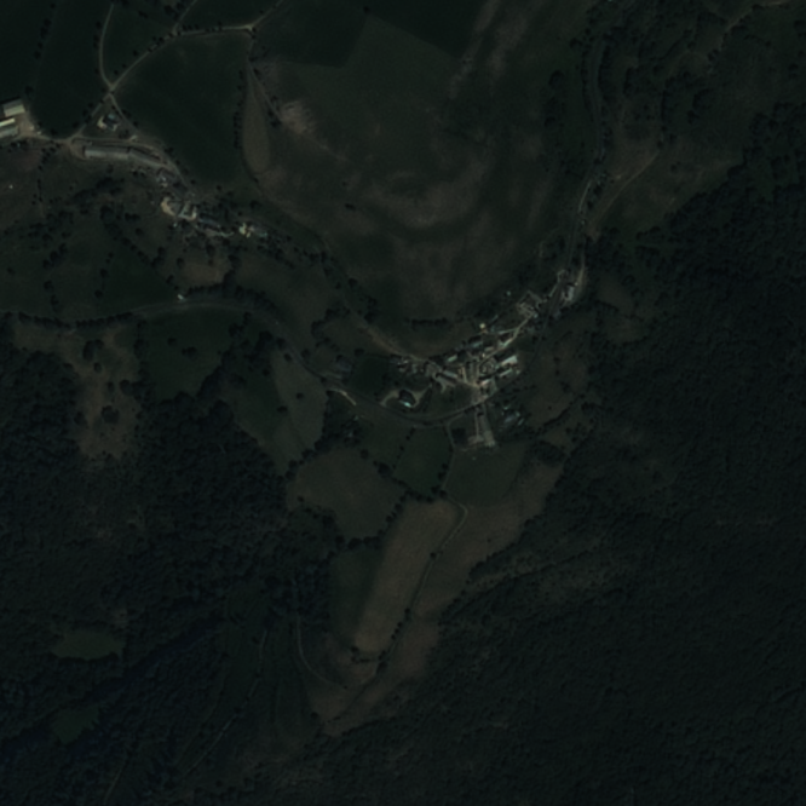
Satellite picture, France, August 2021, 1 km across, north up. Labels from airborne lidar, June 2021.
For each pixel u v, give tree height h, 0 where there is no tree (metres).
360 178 0
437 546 0
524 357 0
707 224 13
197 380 0
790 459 17
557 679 21
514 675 16
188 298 8
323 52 0
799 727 22
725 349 23
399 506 7
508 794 21
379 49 0
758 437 18
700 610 18
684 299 12
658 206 0
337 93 0
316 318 0
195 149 0
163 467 22
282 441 0
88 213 8
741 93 0
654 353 8
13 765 22
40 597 16
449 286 0
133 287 0
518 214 0
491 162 0
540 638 18
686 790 25
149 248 0
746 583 22
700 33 5
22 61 0
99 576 12
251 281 0
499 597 7
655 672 21
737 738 25
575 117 0
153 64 0
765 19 0
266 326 0
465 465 0
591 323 0
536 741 19
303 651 0
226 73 0
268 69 0
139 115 0
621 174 0
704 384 24
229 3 0
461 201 0
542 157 0
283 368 0
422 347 0
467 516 0
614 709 22
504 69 0
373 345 0
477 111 0
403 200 0
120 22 0
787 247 16
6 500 14
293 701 0
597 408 12
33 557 14
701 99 15
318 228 0
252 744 0
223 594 20
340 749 10
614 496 9
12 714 26
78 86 0
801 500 19
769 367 29
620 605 17
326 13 0
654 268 15
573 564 7
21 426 20
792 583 21
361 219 0
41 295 0
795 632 13
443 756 14
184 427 24
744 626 22
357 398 0
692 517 13
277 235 10
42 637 11
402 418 0
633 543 7
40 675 24
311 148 0
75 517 20
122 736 22
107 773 24
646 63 11
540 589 8
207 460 13
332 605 10
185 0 15
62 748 20
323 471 0
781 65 0
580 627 17
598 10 15
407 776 10
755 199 16
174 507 24
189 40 0
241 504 19
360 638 0
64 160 0
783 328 33
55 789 13
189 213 0
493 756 12
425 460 0
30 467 20
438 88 0
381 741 12
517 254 0
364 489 0
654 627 16
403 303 0
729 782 25
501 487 0
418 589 0
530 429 6
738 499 15
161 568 31
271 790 8
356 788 12
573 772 23
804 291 30
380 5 0
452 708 10
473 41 0
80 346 0
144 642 29
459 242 0
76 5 0
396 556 0
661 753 13
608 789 15
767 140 11
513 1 0
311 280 0
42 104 0
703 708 14
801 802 23
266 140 0
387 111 0
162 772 21
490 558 7
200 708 19
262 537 9
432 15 0
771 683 15
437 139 0
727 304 18
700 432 11
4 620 16
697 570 16
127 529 16
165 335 0
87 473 11
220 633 13
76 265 0
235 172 0
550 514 7
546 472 0
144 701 24
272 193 0
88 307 0
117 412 7
